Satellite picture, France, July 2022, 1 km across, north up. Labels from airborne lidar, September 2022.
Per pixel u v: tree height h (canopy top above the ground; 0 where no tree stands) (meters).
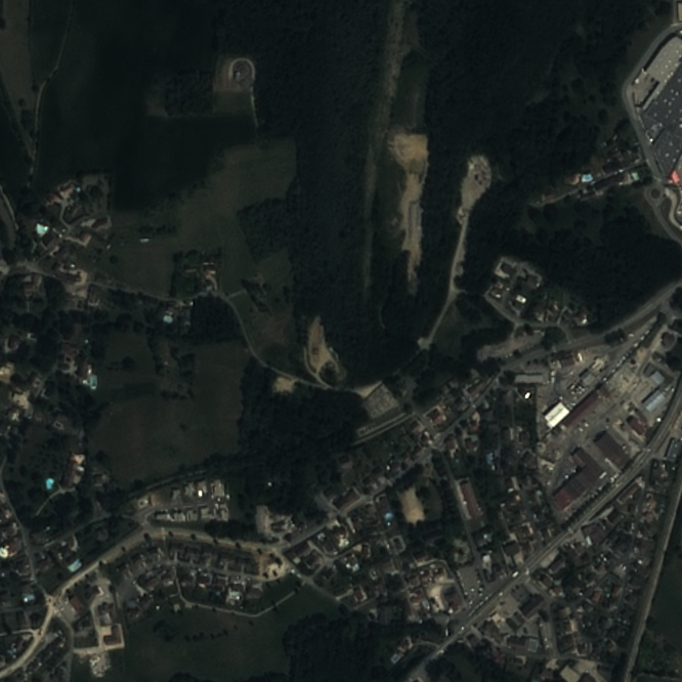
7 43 0
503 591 0
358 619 15
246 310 0
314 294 16
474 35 24
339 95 6
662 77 0
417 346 14
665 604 0
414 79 0
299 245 8
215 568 0
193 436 0
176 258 12
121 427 0
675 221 0
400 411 0
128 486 0
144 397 0
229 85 0
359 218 10
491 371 13
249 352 0
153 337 16
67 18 0
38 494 15
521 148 15
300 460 20
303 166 10
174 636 8
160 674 0
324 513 9
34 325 18
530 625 0
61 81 0
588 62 19
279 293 0
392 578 7
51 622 0
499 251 10
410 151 0
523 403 0
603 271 9
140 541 0
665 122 0
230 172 0
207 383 0
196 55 0
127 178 0
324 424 21
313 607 0
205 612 0
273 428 16
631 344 0
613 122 0
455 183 12
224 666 0
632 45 8
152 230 7
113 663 0
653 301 0
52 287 20
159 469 0
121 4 0
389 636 18
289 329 0
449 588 0
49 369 22
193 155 0
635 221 17
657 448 0
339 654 39
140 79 0
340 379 0
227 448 0
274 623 0
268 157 0
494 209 9
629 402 0
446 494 14
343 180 5
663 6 15
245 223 8
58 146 0
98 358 17
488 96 29
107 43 0
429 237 16
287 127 16
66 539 0
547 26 20
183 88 16
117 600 0
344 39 6
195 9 0
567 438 0
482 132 25
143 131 0
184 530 0
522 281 7
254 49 20
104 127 0
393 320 12
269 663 0
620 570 0
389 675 24
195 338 8
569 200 10
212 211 0
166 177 0
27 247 18
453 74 16
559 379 0
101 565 8
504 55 27
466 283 11
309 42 17
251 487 17
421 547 9
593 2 15
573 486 0
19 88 0
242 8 26
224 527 20
